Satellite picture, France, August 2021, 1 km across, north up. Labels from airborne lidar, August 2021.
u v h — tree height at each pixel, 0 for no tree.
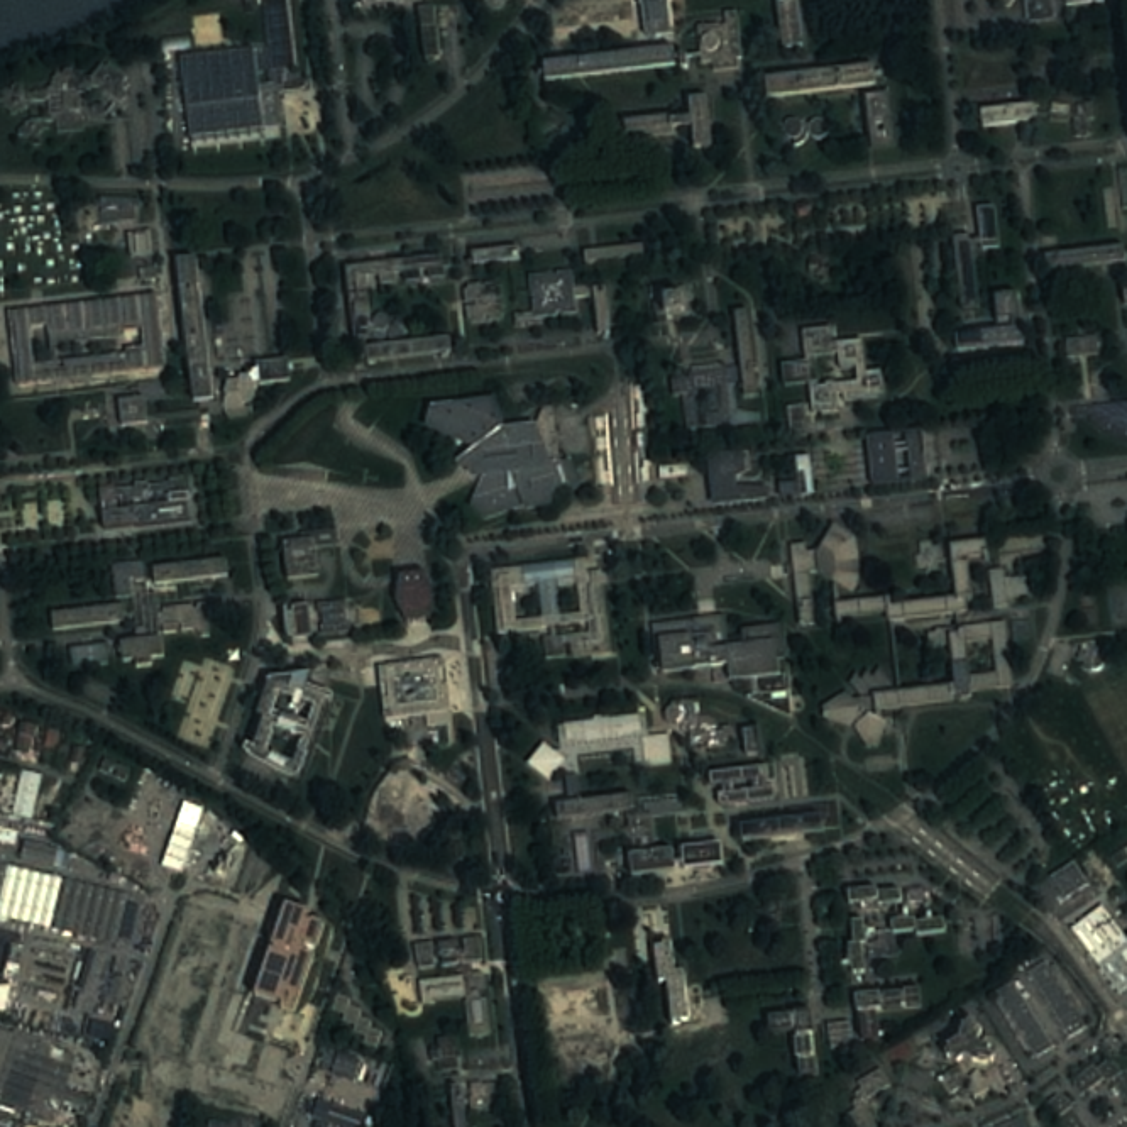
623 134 29
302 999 0
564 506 11
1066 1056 0
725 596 0
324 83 15
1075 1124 0
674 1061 25
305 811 31
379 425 0
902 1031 10
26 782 0
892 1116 10
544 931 27
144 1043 0
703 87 0
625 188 25
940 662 17
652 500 10
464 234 0
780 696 0
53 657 17
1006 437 24
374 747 0
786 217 12
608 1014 0
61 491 6
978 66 0
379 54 15
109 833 0
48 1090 0
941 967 15
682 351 0
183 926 0
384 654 0
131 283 0
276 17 0
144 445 19
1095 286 30
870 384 0
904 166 0
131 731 0
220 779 0
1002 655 0
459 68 0
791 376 0
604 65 0
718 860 0
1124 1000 0
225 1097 0
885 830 0
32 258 0
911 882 0
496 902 0
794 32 0
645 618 0
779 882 20
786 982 17
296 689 0
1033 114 0
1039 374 37
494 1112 16
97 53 11
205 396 0
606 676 19
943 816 19
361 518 0
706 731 0
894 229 8
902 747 0
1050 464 0
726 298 0
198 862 0
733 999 14
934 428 18
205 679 0
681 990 0
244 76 0
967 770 22
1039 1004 0
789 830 0
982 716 0
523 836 0
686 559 0
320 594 0
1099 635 0
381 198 0
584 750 0
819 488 11
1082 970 0
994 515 17
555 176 31
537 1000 21
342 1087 0
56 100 0
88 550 14
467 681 0
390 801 0
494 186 0
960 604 0
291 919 0
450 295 0
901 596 17
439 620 12
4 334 0
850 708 0
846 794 0
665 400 22
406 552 0
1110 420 0
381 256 0
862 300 20
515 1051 0
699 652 0
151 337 0
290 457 0
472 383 17
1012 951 15
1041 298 10
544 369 0
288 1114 0
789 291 28
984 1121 0
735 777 0
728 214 10
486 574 17
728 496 0
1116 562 11
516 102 16
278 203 14
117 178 0
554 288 0
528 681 28
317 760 0
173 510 0
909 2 27
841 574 0
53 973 0
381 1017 14
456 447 15
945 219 8
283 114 0
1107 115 0
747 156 0
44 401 0
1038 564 16
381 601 0
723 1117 24
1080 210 13
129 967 0
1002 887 0
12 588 31
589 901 25
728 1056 0
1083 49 17
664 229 23
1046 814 12
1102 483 0
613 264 15
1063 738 0
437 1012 0
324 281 12
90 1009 0
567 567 0
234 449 0
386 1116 27
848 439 10
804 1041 0
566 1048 0
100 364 0
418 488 0
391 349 0
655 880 18
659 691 0
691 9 0
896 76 32
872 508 0
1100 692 0
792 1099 14
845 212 8
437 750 21
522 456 0
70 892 0
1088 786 0
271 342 0
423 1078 10
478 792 11
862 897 0
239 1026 0
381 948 9
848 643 15
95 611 0
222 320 11
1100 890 0
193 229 32
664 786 9
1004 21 0
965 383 37
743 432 13
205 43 0
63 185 18
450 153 32
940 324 11
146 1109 0
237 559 0
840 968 20
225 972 0
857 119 0
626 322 15
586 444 0
